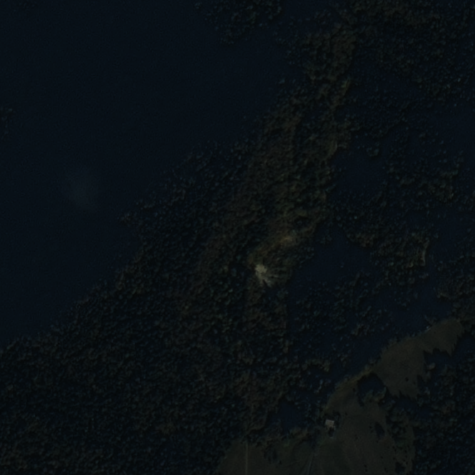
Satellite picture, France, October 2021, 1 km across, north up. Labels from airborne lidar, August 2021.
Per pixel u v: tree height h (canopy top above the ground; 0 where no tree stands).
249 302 33
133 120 24
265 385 29
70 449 20
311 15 30
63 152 25
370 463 0
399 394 0
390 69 29
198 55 32
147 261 15
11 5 26
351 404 0
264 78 26
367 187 28
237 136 23
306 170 29
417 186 31
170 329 21
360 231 31
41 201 20
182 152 17
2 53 12
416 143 29
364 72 30
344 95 12
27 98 25
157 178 17
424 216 27
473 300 21
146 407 17
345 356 33
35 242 13
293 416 9
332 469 0
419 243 16
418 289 17
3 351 26
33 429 23
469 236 28
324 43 21
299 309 25
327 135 19
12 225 9
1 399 20
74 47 27
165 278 15
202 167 24
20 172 15
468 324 19
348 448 0
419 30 27
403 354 0
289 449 0
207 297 25
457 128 25
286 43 32
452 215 11
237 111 24
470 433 22
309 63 32
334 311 28
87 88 26
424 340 0
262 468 0
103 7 31
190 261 18
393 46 31
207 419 6
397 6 29
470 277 21
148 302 26
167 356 20
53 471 26
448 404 22
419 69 23
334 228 7
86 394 18
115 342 22
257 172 13
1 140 28
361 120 32
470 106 24
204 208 20
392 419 16
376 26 29
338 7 25
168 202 26
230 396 20
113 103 24
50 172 8
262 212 22
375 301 25
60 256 33
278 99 18
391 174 29
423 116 26
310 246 12
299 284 26
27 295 26
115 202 21
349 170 27
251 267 21
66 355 13
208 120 24
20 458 26
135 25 20
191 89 23
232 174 30
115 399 21
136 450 21
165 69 22
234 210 17
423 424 19
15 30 12
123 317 31
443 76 29
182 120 26
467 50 6
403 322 13
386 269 28
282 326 31
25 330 23
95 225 23
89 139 23
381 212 27
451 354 0
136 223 19
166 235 22
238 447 0
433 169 31
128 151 29
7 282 32
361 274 21
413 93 34
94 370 10
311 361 31
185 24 19
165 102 19
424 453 20
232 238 19
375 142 19
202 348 19
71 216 26
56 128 24
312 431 23
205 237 19
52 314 19
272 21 14
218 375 29
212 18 27
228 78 26
